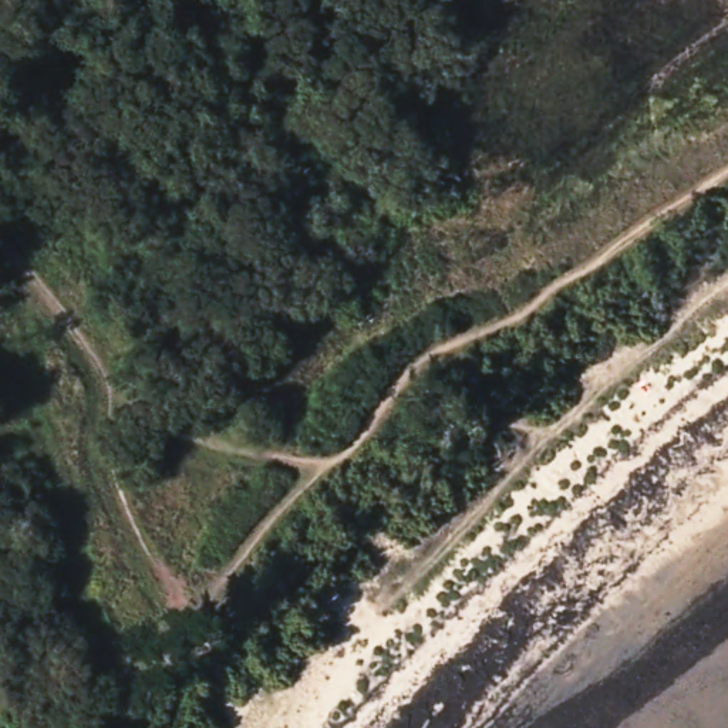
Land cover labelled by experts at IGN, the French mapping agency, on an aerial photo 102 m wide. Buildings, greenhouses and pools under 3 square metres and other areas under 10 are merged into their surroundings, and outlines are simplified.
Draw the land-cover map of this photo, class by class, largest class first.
<instances>
[{"label":"deciduous trees","instance_id":"1","mask_svg":"<svg viewBox=\"0 0 728 728\"><path fill-rule=\"evenodd\" d=\"M438 14L424 6V0H0V219H31L40 230L43 245L60 239V233L54 230V219L60 213L91 219L97 230L105 236L108 253L119 259L117 270L105 282L100 279L91 290V299L105 304H122L128 310L134 350L125 355V375L128 381H142L151 390L145 392V398L125 404H119L111 418L105 415H100V421L94 424L88 455L97 466L108 472L117 489H125L131 498L148 489L151 475L159 466L165 441L173 432L188 429L196 441L208 435H222L233 424L239 407L245 404L239 395L247 390V381L273 378L279 361L287 355L284 336L273 333L270 327L276 313H284L296 321H316L327 316L336 324L341 319H364L358 301L338 304L333 301V293L353 290V276L347 270L353 262H378L390 270L410 242L404 225L412 219V208L441 205L452 191L481 193L472 168L458 171L452 159H441L438 154L421 151L415 131L410 128V122H404V114L410 111V82L421 88V97L427 102H435L438 88L446 85L455 91L461 85V77L475 74V60L481 54V43H472L466 54L458 51L461 40L455 34H441L435 28ZM60 489L65 483L46 452L43 438L11 432L0 438V674L9 697L6 702H14L31 719V728H236V711H230L219 722L199 714L202 700L208 697V683H191L185 688L173 685L168 694L151 700L134 697L131 691L139 668L128 663L125 674L111 677L82 663L85 637L77 631L68 614H63L51 603V580L31 572L34 557L48 555V543L40 532L31 529V520L46 518L51 509L34 501L31 489Z\"/></svg>","mask_w":728,"mask_h":728},{"label":"herbaceous vegetation","instance_id":"2","mask_svg":"<svg viewBox=\"0 0 728 728\"><path fill-rule=\"evenodd\" d=\"M424 6L438 14L435 28L441 34H455L461 40L458 51L466 54L472 43H481V54L475 60V74L461 77V85L455 91L446 85L438 88L435 102H427L421 97V88L410 82V111L404 114V122H410V128L415 131L421 151L438 154L441 159H452L458 171L472 168L481 193L452 191L441 205L412 208V219L404 225L410 242L390 270V296L381 304V316L364 319H341L336 324L327 316L316 321H296L284 313H276L270 327L273 333L284 336L287 355L279 361L273 378L247 381V390L239 395L245 404H262L273 421H279V441L287 446L296 435L299 421L304 418L307 387L313 384V378H324L327 373H333L367 341L384 338L392 327L410 324L438 299H452L475 290H498L501 284L515 282L518 273L563 262V256L577 264L589 262L609 242L623 236L640 219H646L654 208L677 199L685 191V185H697L717 168L728 165V31L705 43L700 54L688 57L680 65V71L671 74L663 85H651V74L663 68L677 51H683L697 34H702L708 26L728 14V0H424ZM43 250V245L40 230L31 219H0V282L28 284L31 273V259ZM63 304V313L54 316L28 290L26 301L11 307L0 319V438L11 432L43 438L46 452L65 483L60 489H31L34 501L51 509L46 518L31 520V529L40 532L48 543V555L34 557L31 572L51 580V603L63 614H68L77 631L85 637L82 663L111 677L125 674L128 663L119 631L139 623H154L156 631H168V614L173 609L165 603V589L156 572L145 563L119 512L117 489L108 472L97 466L88 455L94 424L100 421V415H105V395L97 387V375L85 361L82 350L71 341L68 330H82L97 344L100 358L108 361L114 355V341L102 327H97L85 316L82 301L91 299V290L85 282L74 279L54 293ZM299 483V469L282 461L262 464L202 449L196 446V441L188 429L173 432L165 441L159 466L151 475L148 489L131 498L145 537L156 546L171 572L179 574L188 586L210 583L228 560H233L242 543L253 535V529L270 515V509L282 503V498ZM9 697L0 674V728H31V719L14 702H6Z\"/></svg>","mask_w":728,"mask_h":728},{"label":"bare soil","instance_id":"3","mask_svg":"<svg viewBox=\"0 0 728 728\"><path fill-rule=\"evenodd\" d=\"M515 446H495V461L503 469V478L486 495H481L461 518L441 526L432 537H421L418 546H404L387 535H375V546L387 557L378 574L361 583V600L353 606L350 614L355 631L344 643H336L313 654L296 685L273 694L259 691L250 702L239 705L236 711V728H728V273L717 282L697 284L685 304L674 313V321L663 336L646 344L617 347L606 361L589 367L583 373L580 401L557 421L543 427L529 418L515 421Z\"/></svg>","mask_w":728,"mask_h":728},{"label":"brushwood","instance_id":"4","mask_svg":"<svg viewBox=\"0 0 728 728\"><path fill-rule=\"evenodd\" d=\"M728 273V182L694 196V202L685 210L668 216L648 236H643L637 245L614 256L592 276H583L580 282L560 290L546 310L532 313L523 324L492 333L458 353L438 355L424 370V375L401 392V401L387 415L381 432L373 441H367L361 455L330 469L273 526V532L256 552V563L245 566L239 574L230 577L225 589V603L202 600V609H173L168 614V631H156L154 623H139L119 631L128 663L139 668L131 691L134 697L151 700L168 694L173 685L185 688L191 683H208V697L202 700L199 714L219 722L230 711H236L239 705L250 702L259 691L273 694L296 685L313 654L336 643H344L355 631L350 614L353 606L361 600V583L378 574L387 557L375 546V535H387L404 546H418L421 537H432L441 526L461 518L481 495H486L503 478V469L495 461V446H515V421L529 418L543 427L557 421L580 401L583 373L589 367L606 361L617 347L646 344L663 336L674 321V313L685 304L697 284L717 282ZM54 230L60 233V239L43 245V250L31 259V273H37L54 293L74 279L85 282L91 290L100 279L105 282L117 270L119 259L108 253L105 236L97 230L91 219L60 213L54 219ZM577 264L563 256V262L518 273L515 282L501 284L498 290H475L452 299H438L410 324L392 327L384 338L367 341L333 373H327L324 378H313V384L307 387L304 418L299 421L296 435L287 446L279 441V421H273L262 404H245L239 407L233 424L222 435L230 444L293 449L299 455L316 458L341 452L364 432L375 407L390 395L404 367L412 364L427 347L441 344L458 333H466L469 327L515 313L520 304L532 301L549 282L574 270ZM353 276V290L333 293V301L338 304L358 301L364 319L381 316V304L390 296V270L378 262H353L347 270ZM28 290V284L0 282V319L11 307L26 301ZM85 316L97 327H102L114 341V355L108 361L105 378L114 387V392L122 395L125 404L145 398V392L151 390L142 381H128L125 375V355L134 350L128 310L122 304H105L91 299L82 301Z\"/></svg>","mask_w":728,"mask_h":728},{"label":"pervious surface","instance_id":"5","mask_svg":"<svg viewBox=\"0 0 728 728\"><path fill-rule=\"evenodd\" d=\"M728 31V14L708 26L702 34H697L683 51H677L663 68L651 74V85H663L671 74L680 71V65L688 57L700 54L705 43ZM728 182V165L717 168L697 185H685V191L677 199L654 208L646 219H640L623 236L609 242L589 262L577 264L574 270L549 282L532 301L520 304L515 313L469 327L466 333H458L441 344L427 347L412 364L404 367L390 395L375 407L364 432L341 452L316 458L299 455L293 449L230 444L222 435H208L196 441V446L202 449L262 464L282 461L299 469V483L282 498V503L270 509V515L253 529V535L242 543L233 560H228L210 583L188 586L179 574L171 572L156 546L145 537L131 498L125 489H117L119 512L145 563L156 572L165 589V603L173 609H202V600L225 603V589L230 577L239 574L245 566L256 563V552L273 532V526L330 469L361 455L367 441H373L381 432L387 415L401 401V392L424 375V370L438 355L458 353L492 333L523 324L532 313L546 310L560 290L580 282L583 276H592L614 256L637 245L643 236H648L668 216L685 210L694 202V196ZM28 284V290L54 316L63 313V304L54 293L37 273H31ZM71 341L82 350L85 361L97 375V387L105 395V415L111 418L119 404H125L122 395L114 392V387L105 378L108 361L100 358L97 344L82 330H68Z\"/></svg>","mask_w":728,"mask_h":728}]
</instances>
